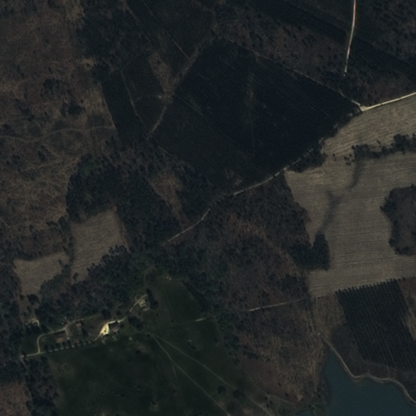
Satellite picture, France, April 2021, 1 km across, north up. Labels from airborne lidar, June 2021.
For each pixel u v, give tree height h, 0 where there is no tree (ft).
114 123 43
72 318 42
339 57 22
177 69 23
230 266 20
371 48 49
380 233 0
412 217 23
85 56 43
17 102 18
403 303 37
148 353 0
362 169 0
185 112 35
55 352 40
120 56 48
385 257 0
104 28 55
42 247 26
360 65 40
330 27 41
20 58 0
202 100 26
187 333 0
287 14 39
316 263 67
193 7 23
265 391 0
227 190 30
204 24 18
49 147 0
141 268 71
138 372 0
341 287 0
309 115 30
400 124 0
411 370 28
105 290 41
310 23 41
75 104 22
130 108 43
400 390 0
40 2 41
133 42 51
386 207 31
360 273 0
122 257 79
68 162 0
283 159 30
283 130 29
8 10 37
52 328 59
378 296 39
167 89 0
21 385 68
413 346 43
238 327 21
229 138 27
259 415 0
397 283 37
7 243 36
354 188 0
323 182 0
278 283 26
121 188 79
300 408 0
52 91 73
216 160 31
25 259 23
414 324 0
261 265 21
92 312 23
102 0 52
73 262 29
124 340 0
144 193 79
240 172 33
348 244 0
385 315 42
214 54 22
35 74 34
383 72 46
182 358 0
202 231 19
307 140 29
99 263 0
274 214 26
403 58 32
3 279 34
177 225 78
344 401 0
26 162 0
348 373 0
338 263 0
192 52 29
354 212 0
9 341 28
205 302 50
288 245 20
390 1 49
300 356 0
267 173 31
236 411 0
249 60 28
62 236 61
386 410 0
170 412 0
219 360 0
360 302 36
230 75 24
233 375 0
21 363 51
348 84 49
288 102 26
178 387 0
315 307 0
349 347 0
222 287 39
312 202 0
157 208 77
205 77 22
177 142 30
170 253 33
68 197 29
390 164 0
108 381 0
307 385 0
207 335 0
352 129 0
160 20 24
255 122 20
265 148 35
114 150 33
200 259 76
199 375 0
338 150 0
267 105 31
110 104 35
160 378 0
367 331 35
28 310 31
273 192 18
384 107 0
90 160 68
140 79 26
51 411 28
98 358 0
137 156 34
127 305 90
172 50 24
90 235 0
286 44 35
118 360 0
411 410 0
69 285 26
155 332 0
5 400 0
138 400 0
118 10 38
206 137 31
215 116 25
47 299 50
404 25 34
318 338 0
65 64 0
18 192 0
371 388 0
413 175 0
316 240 0
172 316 0
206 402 0
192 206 40
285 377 0
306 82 28
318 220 0
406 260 0
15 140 21
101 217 0
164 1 20
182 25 24
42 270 0
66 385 0
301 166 37
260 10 40
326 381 0
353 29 0
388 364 27
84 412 0
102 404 0
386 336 37
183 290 0
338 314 0
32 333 50
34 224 0
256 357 23
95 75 47
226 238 26
